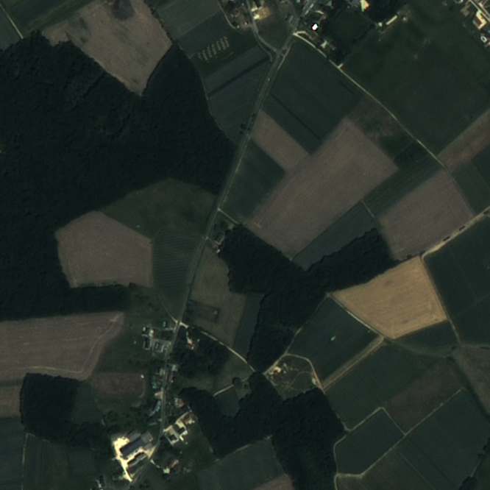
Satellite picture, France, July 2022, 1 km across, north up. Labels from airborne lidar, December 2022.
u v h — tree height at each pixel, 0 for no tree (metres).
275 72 0
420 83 0
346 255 18
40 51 21
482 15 0
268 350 22
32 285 22
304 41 0
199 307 0
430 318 0
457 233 0
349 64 0
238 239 16
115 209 0
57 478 0
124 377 0
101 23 0
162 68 18
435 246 0
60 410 26
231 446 21
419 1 0
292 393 0
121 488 0
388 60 0
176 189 0
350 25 0
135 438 0
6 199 22
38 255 26
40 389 26
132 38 0
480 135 0
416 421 0
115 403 0
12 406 0
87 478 0
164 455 6
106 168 26
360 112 0
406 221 0
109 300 15
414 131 0
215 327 0
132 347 0
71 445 7
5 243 26
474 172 0
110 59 0
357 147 0
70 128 23
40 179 26
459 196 0
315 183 0
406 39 0
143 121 23
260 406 19
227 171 18
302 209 0
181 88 23
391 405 0
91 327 0
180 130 24
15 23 0
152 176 25
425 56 0
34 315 20
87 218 0
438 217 0
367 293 0
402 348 0
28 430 11
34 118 25
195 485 0
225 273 0
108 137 19
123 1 0
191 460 0
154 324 0
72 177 17
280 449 17
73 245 0
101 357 0
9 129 25
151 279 0
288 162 0
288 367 0
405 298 0
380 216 0
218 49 0
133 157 25
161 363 9
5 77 24
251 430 18
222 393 0
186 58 20
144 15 0
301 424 23
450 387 0
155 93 18
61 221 19
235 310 0
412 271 0
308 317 18
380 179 0
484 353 0
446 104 0
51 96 22
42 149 21
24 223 27
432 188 0
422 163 0
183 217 0
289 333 17
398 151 0
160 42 0
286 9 0
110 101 24
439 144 0
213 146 24
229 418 15
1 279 23
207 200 0
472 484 20
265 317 22
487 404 0
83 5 0
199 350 7
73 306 22
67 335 0
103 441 7
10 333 0
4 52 20
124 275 0
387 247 13
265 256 20
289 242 0
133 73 0
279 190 0
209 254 0
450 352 0
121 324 0
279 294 23
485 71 0
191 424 0
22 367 0
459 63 0
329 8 14
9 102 25
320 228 0
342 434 21
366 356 0
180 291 0
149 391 0
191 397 20
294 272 18
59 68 22
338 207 0
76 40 0
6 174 25
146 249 0
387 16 13
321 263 11
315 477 12
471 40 0
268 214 0
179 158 27
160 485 0
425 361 0
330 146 0
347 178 0
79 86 25
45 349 0
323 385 0
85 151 19
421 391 0
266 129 0
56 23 0
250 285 18
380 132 0
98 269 0
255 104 0
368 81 0
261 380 19
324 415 27
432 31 0
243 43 0
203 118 20
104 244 0
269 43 0
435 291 0
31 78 19
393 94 0
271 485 0
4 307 27
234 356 0
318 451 18
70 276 0
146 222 0
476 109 0
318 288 21
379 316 0
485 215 0
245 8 0
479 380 0
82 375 0
